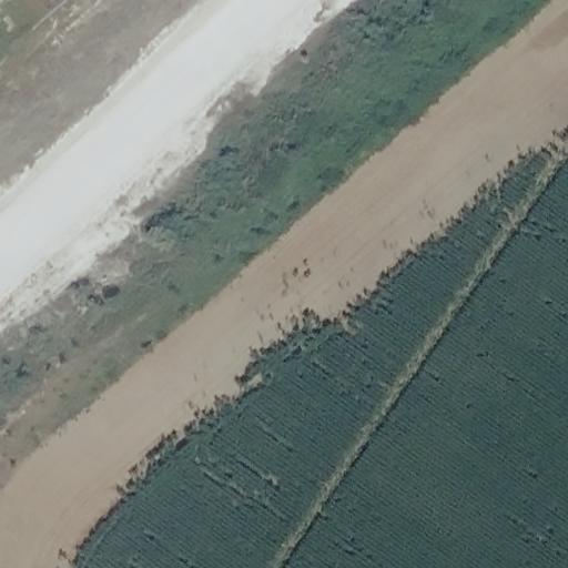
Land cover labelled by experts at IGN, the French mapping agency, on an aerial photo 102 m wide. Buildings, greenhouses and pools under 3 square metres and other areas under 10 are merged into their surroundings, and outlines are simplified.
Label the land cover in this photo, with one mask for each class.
<instances>
[{"label":"agricultural land","instance_id":"1","mask_svg":"<svg viewBox=\"0 0 568 568\"><path fill-rule=\"evenodd\" d=\"M237 397H215L213 408L197 410L193 415V422H189L182 430H171L169 435H164L142 457V462L129 468V481L124 486H118L120 499L107 510L104 517L95 521L89 535L80 541L71 568H568V126H564L561 131H552L550 142L544 149L528 151L526 155H519L517 162H508L504 180L481 184L475 193V204L464 206L459 211V217L450 220L444 235L428 237L419 244L417 251H406L395 262V266L379 275L377 286L368 293V297H357L355 304H348V308L337 313V317L333 320H324L315 311L306 308L300 317H293V331L284 339L273 342L268 348H255L244 373L237 377Z\"/></svg>","mask_w":568,"mask_h":568},{"label":"plowed land","instance_id":"2","mask_svg":"<svg viewBox=\"0 0 568 568\"><path fill-rule=\"evenodd\" d=\"M564 126H568V0H550L506 44L497 47L490 55L475 64L457 84L446 89L442 98L433 107H428V111L419 118L417 124L402 129L386 149L373 153L364 164H359L353 171V175H348L335 191L326 193L308 213L293 222V226L284 235H280L271 249L253 257L233 280L202 311L180 322L160 344H155L146 355H142L115 384L100 393V397L84 413L67 422V426H62L55 435L42 442L38 450H33L24 462H20L9 484L0 493V568H71L80 541L89 535L95 521L104 517L107 510L120 499L118 486H124L129 481V468L142 462V457L164 435H169L171 430H182L189 422H193V415L197 410L213 408L215 397H237V377L244 373L255 348H268L273 342L284 339L293 331V317H300L306 308L315 311L324 320H333L337 317V313L348 308V304H355L357 297H368V293L377 286L379 275L395 266V262L406 251H417L419 244L428 237L444 235L450 220L459 217V211L464 206L475 204V193L481 184L504 180L508 162H517L519 155H526L528 151L544 149L550 142L552 131H561Z\"/></svg>","mask_w":568,"mask_h":568},{"label":"herbaceous vegetation","instance_id":"3","mask_svg":"<svg viewBox=\"0 0 568 568\"><path fill-rule=\"evenodd\" d=\"M200 0H0V186L11 184L16 175L24 171V166H31L67 129H71L95 104H100L107 98L109 89L140 60L142 49H146L149 42H153L160 36L164 27L180 20ZM342 11L333 4V0H322V7L315 13L317 29L306 38V42L300 49L288 51L284 60L273 67V73L264 89L255 82H237L226 95H220L211 104L206 115L215 122V126L209 133L204 153L193 164L180 169V178L171 189L158 191L153 197L144 200L138 209H133V215L144 222L153 213L166 209L169 202L189 211L197 209L202 200L197 195L206 189L200 180L204 178V173L222 175V160L226 155H235L242 160V166H237V171H242L244 178H266L277 151H291L288 142L297 135L300 124L313 118L308 104H320L326 95V89H335L333 80L353 64L355 58L364 53L362 36H348V22L339 16ZM146 233L142 224L133 226L131 233L118 246L98 253L93 266L82 277L67 284L53 302H49L27 320L0 333V393L4 391V373H16L18 368H24L29 373L27 379H31V395L22 402L18 410L9 413L4 424L0 426V493L9 484L20 462H24L33 450H38L42 442L55 435L62 426H67V422L84 413L100 397V393L115 384L142 355H146L155 344H160L180 322L202 311L233 280L226 271H217L213 262V255H217V244H202L197 240L184 237L180 242L175 240L173 249L184 257L180 266L184 268V273L169 284V293H164L158 302L146 304L142 313L113 328L109 322L95 326L84 324L82 315L87 313L89 295L102 293L107 286H118L129 275V266L138 257L151 255L155 249L142 244Z\"/></svg>","mask_w":568,"mask_h":568},{"label":"pervious surface","instance_id":"4","mask_svg":"<svg viewBox=\"0 0 568 568\"><path fill-rule=\"evenodd\" d=\"M322 7V0H200L180 20L164 27L160 36L153 42H149L146 49H142L140 60L109 89L107 98L100 104H95L71 129H67L31 166H24V171L16 175L11 184L0 186V333L27 320L49 302H53L67 284L82 277L93 266L98 253L118 246L131 233L133 226L142 224L144 222L133 215V209H138L144 200L153 197L158 191L171 189L180 178V169L193 164L204 153L209 133L215 126V122L206 115L211 104L220 95H226L237 82H255L264 89L273 73V67L284 60L288 51L300 49L306 42V38L317 29L315 13Z\"/></svg>","mask_w":568,"mask_h":568},{"label":"brushwood","instance_id":"5","mask_svg":"<svg viewBox=\"0 0 568 568\"><path fill-rule=\"evenodd\" d=\"M550 0H333V4L342 11L339 16L348 22V36H362L364 53L355 58L353 64L333 80L335 89H326V95L320 104H308L313 118L300 124L297 135L288 142L291 151H277L266 178H244L242 171H237V166H242V160L235 155H226L222 160V175L204 173V178L200 180L206 189L197 195L202 200L197 209L189 211L169 202L166 209L153 213L142 224L146 233L164 224L169 231L175 233V240L180 242L184 237L197 240L202 244H217V255H213V262L217 271H226L233 280L253 257L271 249L280 235H284L293 226V222L308 213L326 193L335 191L348 175H353V171L359 164H364L373 153L386 149L402 129L417 124L419 118L428 111V107H433L442 98L446 89L457 84L475 64L490 55L497 47L506 44ZM184 257L173 249H155L151 255L138 257L129 266V275L118 286H107L102 293L89 295L87 313L82 315L84 324L95 326L109 322L113 328L142 313L146 304L158 302L164 293H169V284L184 273V268L180 266ZM29 373L24 368H18L16 373H4V391L0 393V426L4 424L9 413L18 410L22 402L31 395V379H27Z\"/></svg>","mask_w":568,"mask_h":568},{"label":"deciduous trees","instance_id":"6","mask_svg":"<svg viewBox=\"0 0 568 568\"><path fill-rule=\"evenodd\" d=\"M142 244L155 249H173L175 240V233L169 231L164 224L146 233Z\"/></svg>","mask_w":568,"mask_h":568}]
</instances>
